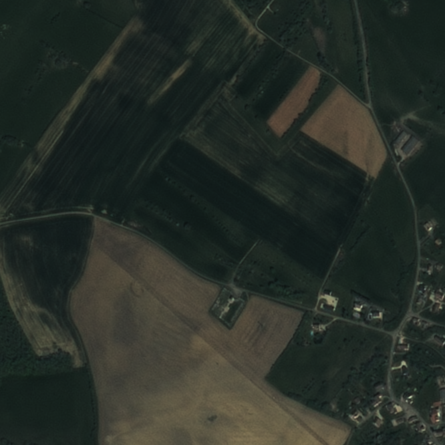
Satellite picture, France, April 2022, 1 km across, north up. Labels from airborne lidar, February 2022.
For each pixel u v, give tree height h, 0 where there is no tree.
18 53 0
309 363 0
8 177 0
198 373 0
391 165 0
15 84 0
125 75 0
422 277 0
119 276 0
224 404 0
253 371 0
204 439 0
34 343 0
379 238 0
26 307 0
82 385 0
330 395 0
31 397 0
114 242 0
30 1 0
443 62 0
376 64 0
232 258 0
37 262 0
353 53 0
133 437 0
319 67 0
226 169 0
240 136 0
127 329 0
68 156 0
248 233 0
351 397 0
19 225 0
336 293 0
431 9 0
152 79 0
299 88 0
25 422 0
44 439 0
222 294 0
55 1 0
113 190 0
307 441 0
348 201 0
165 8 0
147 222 0
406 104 0
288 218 0
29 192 0
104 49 0
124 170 0
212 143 0
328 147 0
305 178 0
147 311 0
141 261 0
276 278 0
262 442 0
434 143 0
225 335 0
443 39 0
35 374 18
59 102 0
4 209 0
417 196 0
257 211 0
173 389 0
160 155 0
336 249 0
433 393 0
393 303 0
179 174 0
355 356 0
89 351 0
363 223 9
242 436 0
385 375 0
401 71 0
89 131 0
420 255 0
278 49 0
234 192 0
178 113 0
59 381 0
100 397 0
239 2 8
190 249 0
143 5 0
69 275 0
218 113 0
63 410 0
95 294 0
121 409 0
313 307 0
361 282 0
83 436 0
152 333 0
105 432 0
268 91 0
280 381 0
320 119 0
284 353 5
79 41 0
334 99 0
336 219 0
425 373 15
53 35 0
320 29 0
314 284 0
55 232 0
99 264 0
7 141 8
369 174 0
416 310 0
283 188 0
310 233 0
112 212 0
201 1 0
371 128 0
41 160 0
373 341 0
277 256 0
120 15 0
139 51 0
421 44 0
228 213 0
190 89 0
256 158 0
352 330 0
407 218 0
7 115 0
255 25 0
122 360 0
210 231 0
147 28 0
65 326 0
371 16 0
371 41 0
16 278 0
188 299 0
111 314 0
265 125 0
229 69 0
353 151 0
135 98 0
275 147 0
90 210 0
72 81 0
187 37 0
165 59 0
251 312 0
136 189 0
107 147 0
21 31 0
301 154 0
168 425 0
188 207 0
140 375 0
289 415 0
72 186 0
